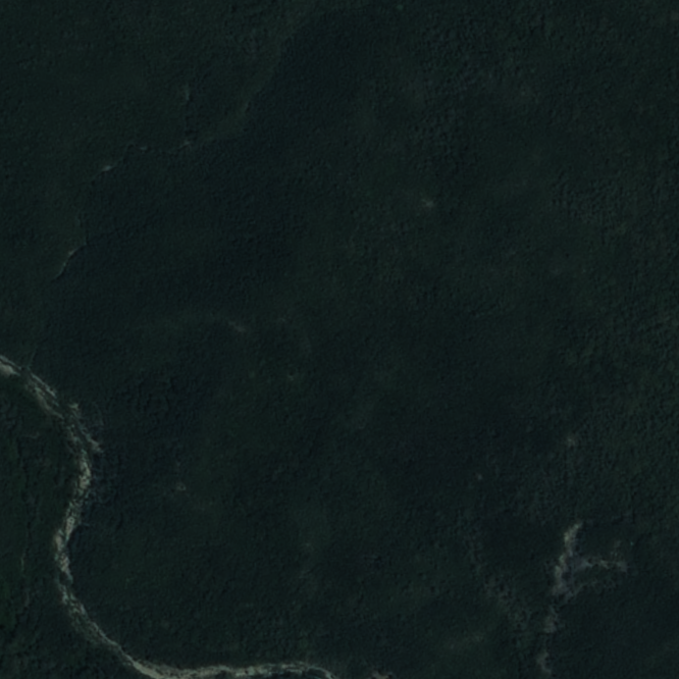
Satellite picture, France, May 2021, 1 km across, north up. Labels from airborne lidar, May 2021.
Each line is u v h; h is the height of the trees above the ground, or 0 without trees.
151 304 9
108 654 8
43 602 19
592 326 14
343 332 11
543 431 14
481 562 12
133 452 22
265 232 8
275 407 11
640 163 13
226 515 8
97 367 11
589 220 15
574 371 12
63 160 10
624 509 13
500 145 7
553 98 8
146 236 9
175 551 10
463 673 7
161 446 9
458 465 18
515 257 11
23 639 24
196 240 7
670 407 12
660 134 14
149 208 10
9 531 7
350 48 13
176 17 8
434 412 14
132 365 9
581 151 6
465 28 15
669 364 14
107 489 15
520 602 21
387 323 9
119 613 12
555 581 13
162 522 9
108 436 16
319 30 12
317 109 8
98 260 10
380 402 13
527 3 8
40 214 7
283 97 9
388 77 13
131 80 7
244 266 14
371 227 10
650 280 14
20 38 8
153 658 16
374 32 12
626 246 8
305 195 7
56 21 8
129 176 10
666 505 13
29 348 8
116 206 10
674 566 9
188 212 12
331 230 6
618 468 11
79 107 9
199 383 11
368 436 9
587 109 10
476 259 8
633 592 10
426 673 7
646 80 10
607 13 9
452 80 18
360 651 8
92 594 12
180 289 12
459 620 8
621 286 12
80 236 8
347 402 10
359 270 11
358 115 7
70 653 19
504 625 13
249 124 12
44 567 12
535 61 7
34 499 24
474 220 6
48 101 7
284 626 9
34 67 9
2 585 7
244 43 7
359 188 8
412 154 9
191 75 13
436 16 10
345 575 16
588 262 6
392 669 6
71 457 11
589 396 7
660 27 10
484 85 7
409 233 12
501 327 8
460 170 15
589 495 8
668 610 10
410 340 13
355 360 11
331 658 7
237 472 8
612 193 12
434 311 12
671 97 13
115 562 9
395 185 6
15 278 9
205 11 11
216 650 8
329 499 11
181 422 11
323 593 10
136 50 10
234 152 13
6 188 12
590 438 17
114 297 9
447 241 8
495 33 12
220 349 9
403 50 7
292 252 7
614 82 8
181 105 12
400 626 14
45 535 9
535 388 11
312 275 5
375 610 10
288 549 11
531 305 8
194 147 11
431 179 11
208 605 13
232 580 14
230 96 10
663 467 9
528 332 7
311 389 12
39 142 11
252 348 10
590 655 17
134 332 8
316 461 9
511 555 13
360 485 8
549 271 7
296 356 11
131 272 8
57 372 12
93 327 9
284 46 7
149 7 10
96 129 14
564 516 13
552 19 13
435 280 13
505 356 8
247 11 18
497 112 11
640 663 6
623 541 6
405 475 21
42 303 11
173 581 11
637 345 15
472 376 9
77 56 7
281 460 11
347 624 17
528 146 9
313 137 7
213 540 13
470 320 12
